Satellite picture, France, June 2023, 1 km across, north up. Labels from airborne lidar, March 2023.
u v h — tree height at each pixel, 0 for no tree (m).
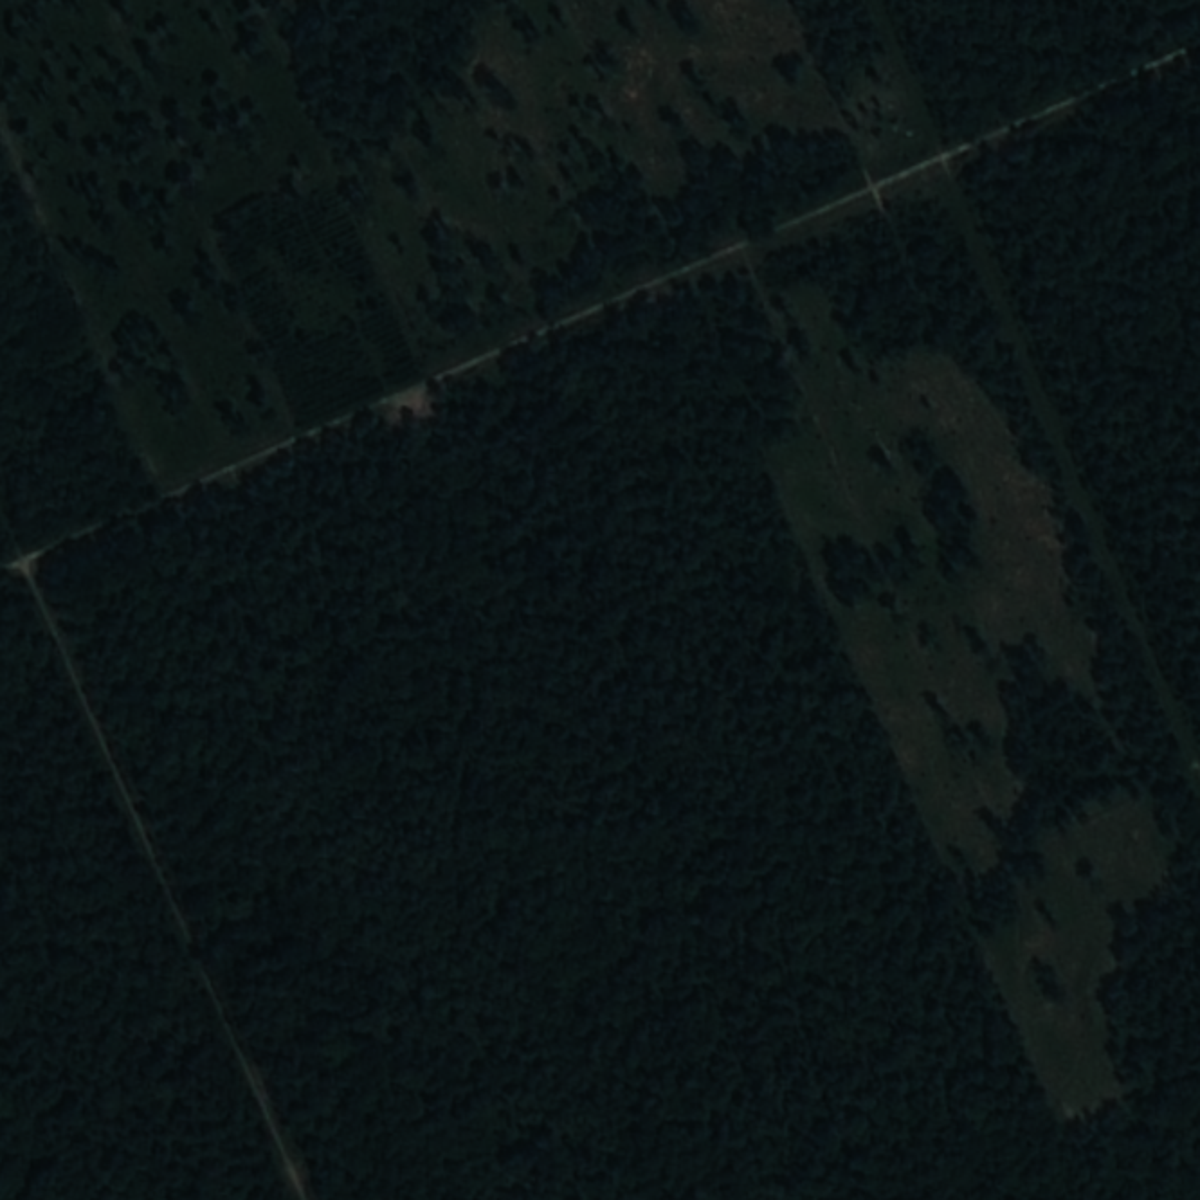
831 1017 26
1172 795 25
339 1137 25
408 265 0
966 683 0
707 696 28
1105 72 20
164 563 24
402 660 25
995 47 18
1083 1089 0
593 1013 23
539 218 0
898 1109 25
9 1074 20
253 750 26
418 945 24
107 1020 23
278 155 0
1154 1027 21
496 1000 23
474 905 19
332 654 8
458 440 25
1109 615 20
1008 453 0
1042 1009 0
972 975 26
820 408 0
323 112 23
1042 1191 26
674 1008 18
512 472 17
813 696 18
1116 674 20
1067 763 18
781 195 24
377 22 22
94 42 0
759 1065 26
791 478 0
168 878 8
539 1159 24
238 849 25
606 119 28
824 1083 22
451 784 23
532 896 16
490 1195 18
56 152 0
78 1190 18
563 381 23
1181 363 23
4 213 21
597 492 25
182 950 12
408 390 0
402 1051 24
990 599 0
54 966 21
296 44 25
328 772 26
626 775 23
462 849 23
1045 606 0
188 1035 20
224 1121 24
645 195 15
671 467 22
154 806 11
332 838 20
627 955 24
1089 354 24
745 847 25
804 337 25
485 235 0
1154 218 27
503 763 25
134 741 18
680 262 15
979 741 26
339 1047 23
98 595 23
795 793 23
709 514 25
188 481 0
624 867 24
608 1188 22
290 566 20
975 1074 23
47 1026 25
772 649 22
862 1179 25
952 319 19
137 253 0
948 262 15
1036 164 21
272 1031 16
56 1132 19
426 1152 22
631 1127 23
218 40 0
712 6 0
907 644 0
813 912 21
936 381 0
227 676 31
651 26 0
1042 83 22
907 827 20
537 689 26
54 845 11
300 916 22
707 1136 22
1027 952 0
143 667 21
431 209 0
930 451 24
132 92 24
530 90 0
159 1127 23
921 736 0
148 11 0
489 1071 23
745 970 25
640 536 17
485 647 24
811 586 22
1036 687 18
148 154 21
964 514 21
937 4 17
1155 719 17
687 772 26
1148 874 0
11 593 9
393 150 28
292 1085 17
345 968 14
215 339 0
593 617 33
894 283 27
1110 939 0
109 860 28
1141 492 27
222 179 0
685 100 0
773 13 0
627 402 26
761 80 0
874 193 0
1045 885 0
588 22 0
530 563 23
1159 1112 24
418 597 27
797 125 0
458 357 0
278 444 0
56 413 20
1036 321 20
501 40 0
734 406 23
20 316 22
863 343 16
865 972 24
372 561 22
